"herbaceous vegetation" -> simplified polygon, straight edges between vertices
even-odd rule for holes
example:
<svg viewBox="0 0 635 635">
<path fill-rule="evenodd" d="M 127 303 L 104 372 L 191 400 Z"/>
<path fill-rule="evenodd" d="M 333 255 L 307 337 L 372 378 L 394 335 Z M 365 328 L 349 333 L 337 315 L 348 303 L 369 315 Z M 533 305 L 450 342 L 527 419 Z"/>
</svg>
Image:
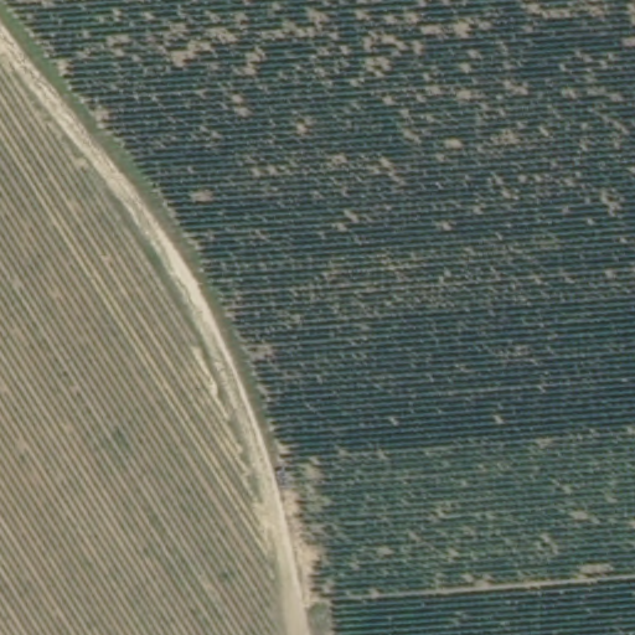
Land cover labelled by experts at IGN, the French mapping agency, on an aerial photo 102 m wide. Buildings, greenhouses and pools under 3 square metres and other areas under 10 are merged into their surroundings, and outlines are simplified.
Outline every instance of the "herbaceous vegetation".
<svg viewBox="0 0 635 635">
<path fill-rule="evenodd" d="M 122 139 L 114 139 L 109 124 L 102 124 L 109 117 L 109 112 L 102 107 L 99 97 L 82 97 L 67 84 L 67 60 L 50 60 L 37 42 L 40 35 L 27 30 L 2 0 L 0 0 L 0 22 L 10 30 L 10 35 L 22 47 L 27 60 L 42 72 L 42 77 L 69 107 L 69 112 L 82 122 L 92 141 L 117 164 L 117 169 L 139 191 L 139 196 L 151 208 L 151 213 L 181 253 L 184 263 L 198 280 L 201 293 L 226 337 L 226 345 L 238 365 L 246 392 L 255 409 L 268 446 L 270 466 L 275 471 L 275 481 L 280 489 L 288 533 L 290 538 L 303 538 L 303 523 L 298 518 L 298 496 L 290 486 L 285 464 L 288 446 L 275 437 L 275 424 L 265 414 L 263 392 L 258 387 L 243 340 L 238 337 L 231 322 L 226 305 L 221 303 L 216 285 L 203 275 L 198 241 L 179 223 L 179 213 L 171 206 L 171 201 L 164 196 L 161 189 L 156 189 L 146 179 L 139 164 L 131 159 L 131 154 L 124 149 Z"/>
<path fill-rule="evenodd" d="M 308 625 L 313 635 L 335 635 L 332 603 L 330 598 L 318 598 L 308 608 Z"/>
</svg>

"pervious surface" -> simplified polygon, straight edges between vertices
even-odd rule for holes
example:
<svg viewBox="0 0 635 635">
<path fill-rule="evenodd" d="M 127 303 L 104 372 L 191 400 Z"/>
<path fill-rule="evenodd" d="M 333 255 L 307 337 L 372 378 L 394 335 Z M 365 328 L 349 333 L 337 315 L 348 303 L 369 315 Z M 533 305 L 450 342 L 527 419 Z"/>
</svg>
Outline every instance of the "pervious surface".
<svg viewBox="0 0 635 635">
<path fill-rule="evenodd" d="M 0 22 L 0 60 L 7 72 L 17 72 L 27 82 L 37 99 L 60 122 L 64 134 L 77 144 L 77 149 L 84 156 L 89 156 L 92 166 L 122 198 L 131 221 L 141 228 L 141 233 L 151 241 L 154 251 L 164 258 L 169 273 L 181 288 L 184 300 L 191 305 L 193 320 L 211 350 L 213 365 L 223 380 L 226 394 L 236 409 L 238 424 L 251 446 L 251 461 L 255 466 L 263 491 L 263 501 L 253 506 L 260 528 L 270 531 L 278 546 L 288 635 L 313 635 L 308 625 L 308 608 L 318 598 L 313 593 L 313 566 L 318 561 L 318 548 L 308 546 L 303 538 L 290 538 L 288 533 L 280 489 L 275 481 L 275 471 L 270 466 L 268 446 L 255 409 L 246 392 L 238 365 L 226 345 L 226 337 L 201 293 L 198 280 L 184 263 L 181 253 L 151 213 L 151 208 L 139 196 L 139 191 L 117 169 L 117 164 L 92 141 L 82 122 L 69 112 L 69 107 L 42 77 L 42 72 L 27 60 L 22 47 L 10 35 L 10 30 Z"/>
</svg>

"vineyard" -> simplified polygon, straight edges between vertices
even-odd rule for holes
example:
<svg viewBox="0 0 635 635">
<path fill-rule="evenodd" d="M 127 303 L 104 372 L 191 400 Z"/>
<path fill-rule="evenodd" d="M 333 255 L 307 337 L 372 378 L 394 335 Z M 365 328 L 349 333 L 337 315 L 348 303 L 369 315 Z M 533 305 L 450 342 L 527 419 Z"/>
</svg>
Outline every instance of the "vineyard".
<svg viewBox="0 0 635 635">
<path fill-rule="evenodd" d="M 313 593 L 318 598 L 330 598 L 332 603 L 335 635 L 635 635 L 635 0 L 2 0 L 27 30 L 40 35 L 37 42 L 50 60 L 67 60 L 67 84 L 82 97 L 99 97 L 102 107 L 109 112 L 109 117 L 102 124 L 109 124 L 114 139 L 122 139 L 124 149 L 131 154 L 131 159 L 139 164 L 146 179 L 156 189 L 161 189 L 164 196 L 171 201 L 171 206 L 179 213 L 179 223 L 198 241 L 203 275 L 216 285 L 221 303 L 226 305 L 231 322 L 238 337 L 243 340 L 258 387 L 263 392 L 265 414 L 275 424 L 275 437 L 288 446 L 285 464 L 290 486 L 298 496 L 298 518 L 303 523 L 303 538 L 308 546 L 318 548 L 318 561 L 313 566 Z"/>
<path fill-rule="evenodd" d="M 7 72 L 0 60 L 0 635 L 288 635 L 278 546 L 270 531 L 260 528 L 253 506 L 263 501 L 263 491 L 255 466 L 251 461 L 251 446 L 238 424 L 236 409 L 226 394 L 223 380 L 213 365 L 211 350 L 193 320 L 191 305 L 184 300 L 181 288 L 169 273 L 164 258 L 154 251 L 151 241 L 141 233 L 141 228 L 131 221 L 122 198 L 92 166 L 89 156 L 84 156 L 77 149 L 77 144 L 64 134 L 60 122 L 37 99 L 27 82 L 17 72 Z"/>
</svg>

